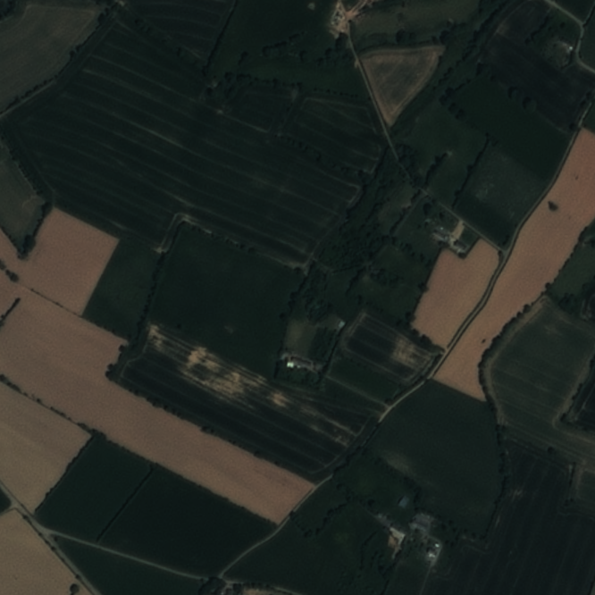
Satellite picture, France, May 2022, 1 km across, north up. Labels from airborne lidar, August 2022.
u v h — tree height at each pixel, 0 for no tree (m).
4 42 0
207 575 0
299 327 0
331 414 0
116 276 0
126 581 0
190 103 0
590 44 0
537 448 0
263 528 0
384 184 12
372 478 0
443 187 0
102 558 0
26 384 0
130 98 0
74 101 0
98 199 0
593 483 0
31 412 0
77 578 8
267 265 0
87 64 0
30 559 0
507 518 0
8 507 0
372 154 0
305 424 0
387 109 0
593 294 0
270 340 0
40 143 0
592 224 0
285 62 0
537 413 0
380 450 0
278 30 0
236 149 0
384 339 0
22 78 0
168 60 0
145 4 0
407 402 0
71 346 0
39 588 0
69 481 0
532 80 0
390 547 0
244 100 0
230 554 0
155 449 0
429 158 0
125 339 9
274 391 0
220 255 0
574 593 0
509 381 0
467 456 0
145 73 0
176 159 0
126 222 0
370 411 0
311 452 0
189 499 0
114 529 0
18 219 0
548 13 0
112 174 0
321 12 0
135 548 0
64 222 0
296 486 0
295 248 0
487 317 0
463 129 0
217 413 0
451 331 0
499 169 0
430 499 0
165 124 0
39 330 0
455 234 0
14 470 0
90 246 0
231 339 0
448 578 0
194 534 0
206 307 0
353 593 0
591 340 0
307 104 0
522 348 0
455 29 17
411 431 0
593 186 0
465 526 0
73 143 0
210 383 0
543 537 0
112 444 7
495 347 12
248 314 0
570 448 0
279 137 7
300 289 6
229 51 0
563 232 0
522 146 0
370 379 0
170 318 0
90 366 0
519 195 0
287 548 0
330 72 0
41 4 0
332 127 0
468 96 0
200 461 0
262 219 0
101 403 0
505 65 0
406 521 0
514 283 0
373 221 6
